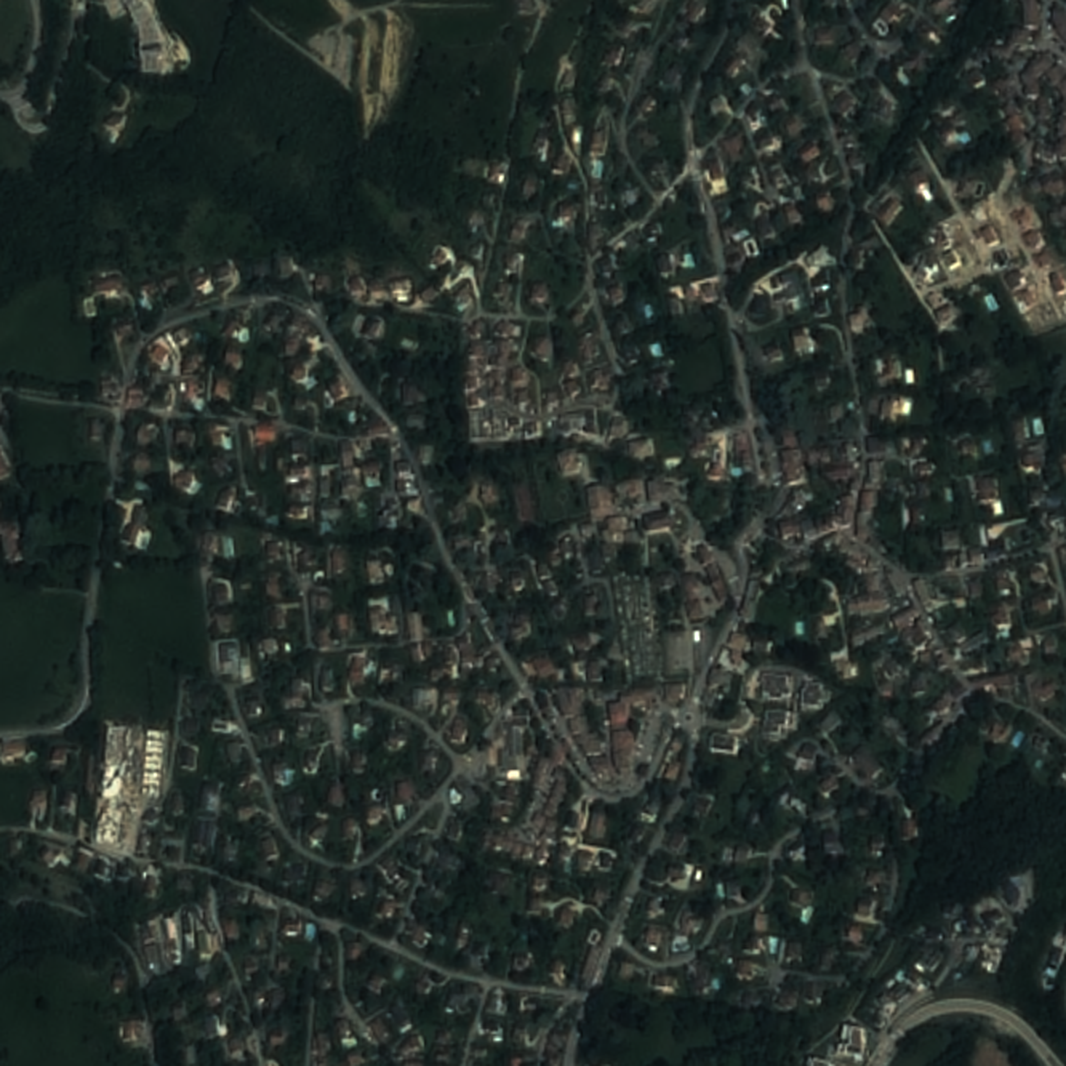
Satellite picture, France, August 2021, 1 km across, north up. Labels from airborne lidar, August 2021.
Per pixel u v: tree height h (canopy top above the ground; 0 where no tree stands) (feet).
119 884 43
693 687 0
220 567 47
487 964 25
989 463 23
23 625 0
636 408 47
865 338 23
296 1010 32
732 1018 44
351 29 0
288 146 52
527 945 28
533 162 26
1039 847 19
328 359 21
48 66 61
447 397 28
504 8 0
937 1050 0
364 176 26
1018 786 87
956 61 49
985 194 0
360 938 36
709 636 0
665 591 22
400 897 32
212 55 0
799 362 20
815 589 37
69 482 59
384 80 0
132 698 0
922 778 57
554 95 42
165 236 36
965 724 61
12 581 29
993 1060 0
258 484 0
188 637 0
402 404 33
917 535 38
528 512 0
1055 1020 24
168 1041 45
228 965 25
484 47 0
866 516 0
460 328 18
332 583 37
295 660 24
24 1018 0
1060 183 0
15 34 0
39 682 0
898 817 34
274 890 45
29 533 52
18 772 0
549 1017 71
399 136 19
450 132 20
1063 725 0
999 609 0
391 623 0
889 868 22
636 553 31
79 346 0
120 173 78
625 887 21
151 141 23
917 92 46
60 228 35
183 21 0
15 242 34
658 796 73
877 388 22
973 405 37
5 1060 27
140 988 26
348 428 39
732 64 0
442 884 39
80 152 43
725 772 31
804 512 23
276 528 26
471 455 35
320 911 36
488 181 20
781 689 0
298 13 0
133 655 0
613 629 60
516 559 38
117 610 0
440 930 38
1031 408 51
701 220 51
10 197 43
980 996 0
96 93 41
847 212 33
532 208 43
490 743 60
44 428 0
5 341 0
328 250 49
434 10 0
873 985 25
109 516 47
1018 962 58
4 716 0
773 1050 62
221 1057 24
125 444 22
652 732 0
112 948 49
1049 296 0
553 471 24
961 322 42
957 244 0
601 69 21
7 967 20
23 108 0
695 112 19
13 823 0
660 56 31
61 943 20
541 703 24
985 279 19
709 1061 63
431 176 35
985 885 49
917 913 58
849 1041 0
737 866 30
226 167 19
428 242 0
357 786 31
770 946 0
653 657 0
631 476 38
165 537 0
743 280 76
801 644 63
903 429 36
